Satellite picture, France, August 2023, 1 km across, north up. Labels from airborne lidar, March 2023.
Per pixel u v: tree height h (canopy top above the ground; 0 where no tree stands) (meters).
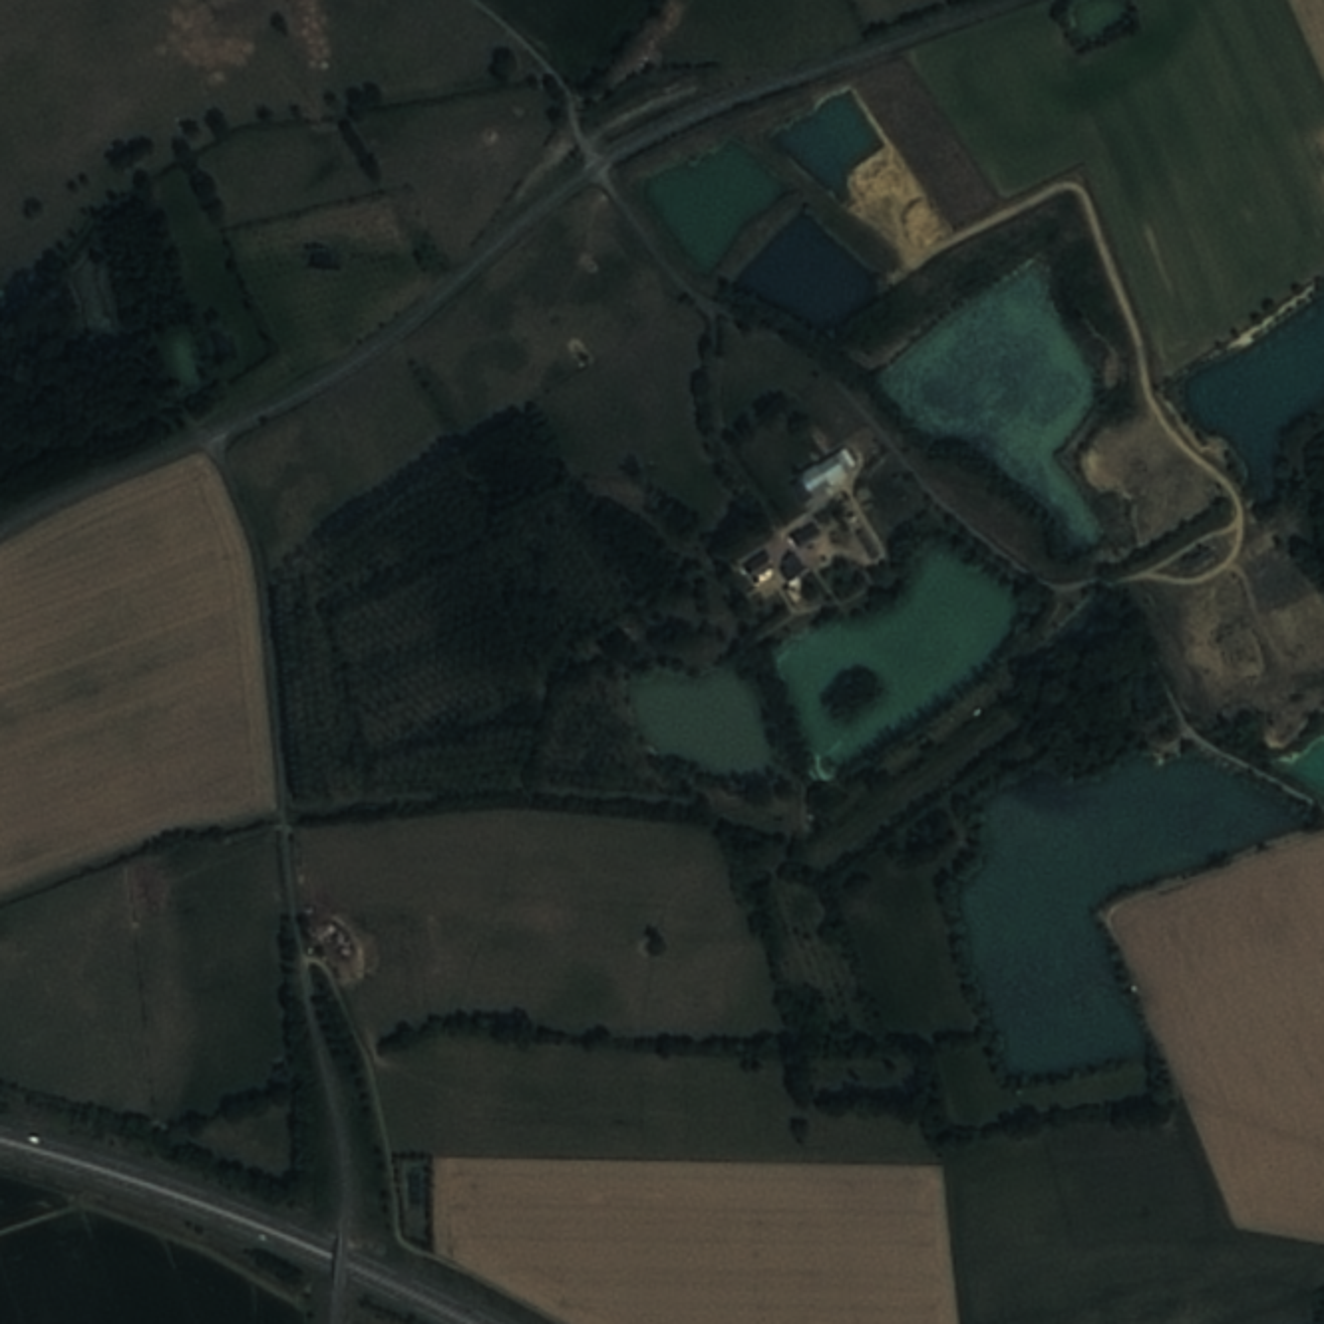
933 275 0
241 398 0
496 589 32
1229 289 0
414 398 0
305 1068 12
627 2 0
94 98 0
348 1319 0
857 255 0
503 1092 0
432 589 26
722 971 0
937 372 0
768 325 9
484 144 0
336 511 0
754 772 0
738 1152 0
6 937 0
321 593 22
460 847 0
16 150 0
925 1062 21
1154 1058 7
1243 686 0
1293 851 0
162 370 15
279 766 0
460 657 29
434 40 0
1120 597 7
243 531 0
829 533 0
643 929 0
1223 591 0
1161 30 0
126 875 0
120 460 21
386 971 0
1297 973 0
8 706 0
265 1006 0
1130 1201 0
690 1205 0
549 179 0
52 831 0
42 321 38
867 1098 19
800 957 0
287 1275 10
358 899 0
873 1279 0
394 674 23
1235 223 0
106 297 0
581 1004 0
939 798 9
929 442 8
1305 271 0
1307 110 0
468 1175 0
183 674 0
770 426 15
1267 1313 0
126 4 0
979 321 0
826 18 0
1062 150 0
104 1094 0
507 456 18
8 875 0
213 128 15
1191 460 0
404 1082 0
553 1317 0
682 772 12
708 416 15
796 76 0
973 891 0
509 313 0
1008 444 0
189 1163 13
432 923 0
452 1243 0
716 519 0
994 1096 0
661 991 0
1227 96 0
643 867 0
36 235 0
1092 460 0
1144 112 0
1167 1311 0
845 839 0
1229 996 0
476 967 0
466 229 0
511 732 25
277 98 0
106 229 10
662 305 0
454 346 0
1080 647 15
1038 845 0
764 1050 13
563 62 0
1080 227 0
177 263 14
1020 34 0
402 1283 0
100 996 0
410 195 0
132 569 0
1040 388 0
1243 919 0
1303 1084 0
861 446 0
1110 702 26
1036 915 0
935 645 0
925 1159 0
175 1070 0
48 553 0
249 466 0
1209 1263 0
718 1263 0
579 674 18
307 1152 14
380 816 8
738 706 0
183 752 0
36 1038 0
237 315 0
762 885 6
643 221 0
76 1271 0
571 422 0
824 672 0
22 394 19
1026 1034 0
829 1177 0
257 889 0
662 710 0
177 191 0
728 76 0
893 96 0
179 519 0
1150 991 0
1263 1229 0
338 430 0
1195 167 0
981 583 0
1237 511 0
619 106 0
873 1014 9
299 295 0
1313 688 0
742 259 0
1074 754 14
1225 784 0
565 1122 0
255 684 0
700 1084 0
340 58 0
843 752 0
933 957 0
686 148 0
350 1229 0
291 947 15
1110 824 0
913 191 0
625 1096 0
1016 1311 0
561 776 21
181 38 0
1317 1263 0
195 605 0
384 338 0
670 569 13
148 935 0
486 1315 0
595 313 0
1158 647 11
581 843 0
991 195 0
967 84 0
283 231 0
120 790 0
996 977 0
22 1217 0
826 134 0
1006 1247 0
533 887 0
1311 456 6
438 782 24
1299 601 0
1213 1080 0
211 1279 0
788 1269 0
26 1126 0
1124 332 0
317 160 0
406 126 0
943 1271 0
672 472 0
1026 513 12
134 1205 0
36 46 0
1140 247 0
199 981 0
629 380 0
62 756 0
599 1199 0
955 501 0
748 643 10
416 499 27
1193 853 0
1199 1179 0
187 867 0
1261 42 0
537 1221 0
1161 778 0
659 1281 0
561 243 0
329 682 21
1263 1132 0
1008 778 17
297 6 0
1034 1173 0
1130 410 8
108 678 0
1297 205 0
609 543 10
